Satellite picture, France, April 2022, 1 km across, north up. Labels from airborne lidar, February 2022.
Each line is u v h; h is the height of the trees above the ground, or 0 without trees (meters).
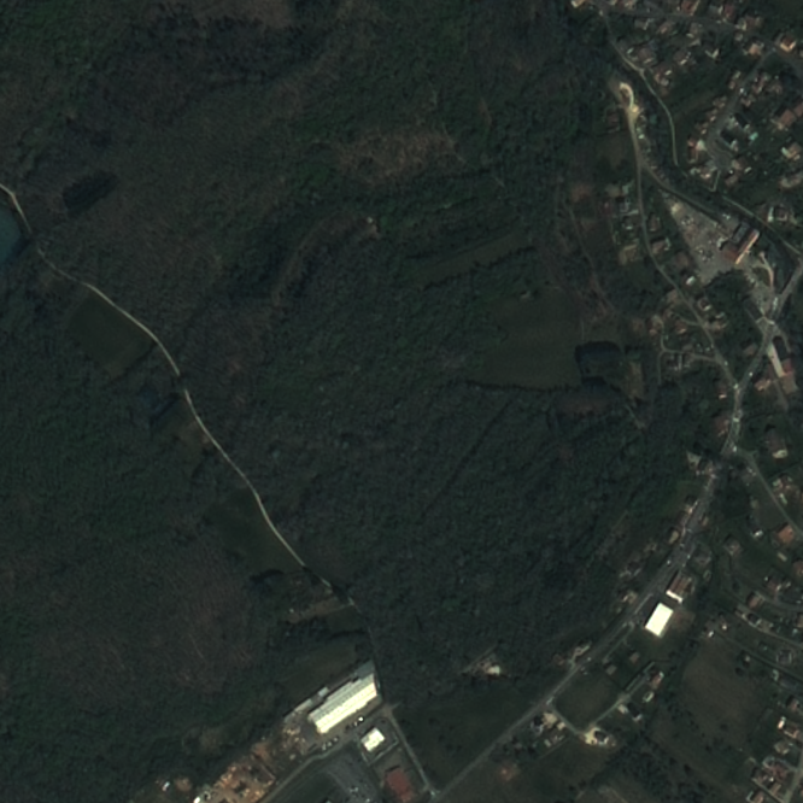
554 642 22
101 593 24
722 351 21
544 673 5
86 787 19
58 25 20
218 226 22
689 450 0
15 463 21
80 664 24
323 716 0
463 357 12
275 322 19
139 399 17
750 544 0
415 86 8
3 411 20
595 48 9
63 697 23
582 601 15
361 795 0
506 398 10
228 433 20
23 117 20
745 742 0
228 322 20
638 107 0
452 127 11
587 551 10
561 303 0
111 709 23
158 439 14
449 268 0
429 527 18
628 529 0
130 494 21
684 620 0
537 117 18
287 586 0
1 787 25
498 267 12
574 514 12
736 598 0
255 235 12
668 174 14
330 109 14
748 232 0
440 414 15
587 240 0
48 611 26
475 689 17
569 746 0
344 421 19
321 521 16
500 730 0
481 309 17
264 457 22
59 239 18
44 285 31
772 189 0
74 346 15
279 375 19
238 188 21
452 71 19
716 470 0
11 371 19
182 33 24
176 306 17
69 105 21
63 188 19
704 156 0
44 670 25
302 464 22
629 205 0
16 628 29
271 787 0
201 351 20
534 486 15
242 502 0
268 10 0
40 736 16
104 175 18
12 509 23
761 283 0
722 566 0
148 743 14
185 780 6
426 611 16
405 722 8
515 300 0
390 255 20
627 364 0
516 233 0
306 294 19
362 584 22
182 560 21
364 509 13
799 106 0
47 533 19
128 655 22
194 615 23
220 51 11
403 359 13
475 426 17
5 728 17
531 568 11
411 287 14
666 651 0
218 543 23
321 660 0
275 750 0
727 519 0
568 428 28
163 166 21
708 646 0
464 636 10
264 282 14
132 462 24
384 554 23
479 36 20
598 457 20
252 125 20
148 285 20
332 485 10
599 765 0
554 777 0
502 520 14
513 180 13
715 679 0
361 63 16
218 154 21
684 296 0
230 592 22
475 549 16
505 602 17
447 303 15
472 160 9
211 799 0
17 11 12
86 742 26
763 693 0
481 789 0
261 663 19
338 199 10
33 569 18
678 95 0
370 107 10
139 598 21
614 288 15
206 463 10
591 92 23
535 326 0
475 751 0
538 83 9
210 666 23
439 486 13
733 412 0
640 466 10
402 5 22
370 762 0
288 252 11
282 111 20
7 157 12
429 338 14
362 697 0
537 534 9
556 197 23
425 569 19
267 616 20
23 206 6
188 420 0
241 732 0
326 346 21
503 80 21
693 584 0
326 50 16
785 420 0
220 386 18
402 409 20
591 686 0
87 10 23
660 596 0
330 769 0
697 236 0
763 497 0
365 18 20
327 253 18
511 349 0
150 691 24
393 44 20
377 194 10
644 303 6
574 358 0
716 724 0
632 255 0
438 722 10
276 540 0
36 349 16
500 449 10
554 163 15
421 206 15
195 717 17
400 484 18
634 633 0
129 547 18
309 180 14
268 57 14
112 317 0
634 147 0
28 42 20
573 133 14
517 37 24
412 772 0
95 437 21
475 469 18
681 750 0
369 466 21
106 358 0
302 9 18
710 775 0
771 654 0
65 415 25
